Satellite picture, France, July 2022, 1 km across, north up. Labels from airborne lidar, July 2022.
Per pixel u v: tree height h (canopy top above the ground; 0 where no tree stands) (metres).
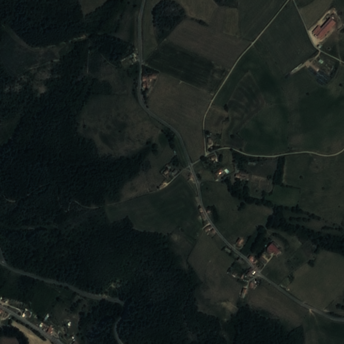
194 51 0
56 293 0
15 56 0
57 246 14
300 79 0
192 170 0
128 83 0
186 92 0
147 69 9
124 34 0
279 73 0
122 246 15
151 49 0
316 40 0
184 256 0
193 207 0
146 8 0
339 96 0
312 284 0
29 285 18
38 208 13
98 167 14
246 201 17
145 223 0
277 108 0
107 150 0
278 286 0
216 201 0
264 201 16
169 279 11
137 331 12
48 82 11
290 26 0
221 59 0
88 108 0
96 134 0
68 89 18
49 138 13
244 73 0
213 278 0
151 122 0
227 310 0
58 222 15
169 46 0
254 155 0
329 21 0
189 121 0
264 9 0
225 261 0
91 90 11
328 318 0
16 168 10
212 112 0
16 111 19
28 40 20
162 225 0
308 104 0
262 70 0
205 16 0
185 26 0
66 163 21
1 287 9
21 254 12
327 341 0
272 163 0
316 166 0
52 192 14
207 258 0
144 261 14
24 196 17
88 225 8
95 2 0
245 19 0
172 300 13
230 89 0
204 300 0
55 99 21
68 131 12
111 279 8
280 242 0
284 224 23
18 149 27
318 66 0
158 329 13
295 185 0
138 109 0
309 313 0
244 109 0
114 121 0
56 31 22
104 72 0
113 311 18
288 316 0
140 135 0
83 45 22
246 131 0
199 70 0
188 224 0
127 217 6
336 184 0
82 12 9
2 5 7
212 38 0
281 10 0
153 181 0
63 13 7
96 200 9
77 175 18
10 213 9
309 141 0
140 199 0
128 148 0
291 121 0
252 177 0
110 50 7
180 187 0
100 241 14
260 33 0
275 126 0
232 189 10
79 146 17
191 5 0
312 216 13
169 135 8
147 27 0
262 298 0
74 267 20
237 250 0
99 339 23
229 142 0
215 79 0
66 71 20
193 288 8
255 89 0
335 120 0
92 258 15
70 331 0
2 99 11
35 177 16
